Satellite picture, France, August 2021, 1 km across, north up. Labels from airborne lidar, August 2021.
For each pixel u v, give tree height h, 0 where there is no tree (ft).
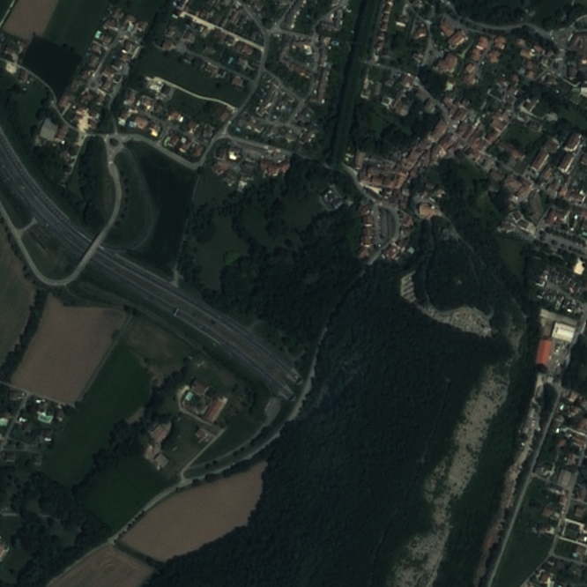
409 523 39
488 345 51
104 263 0
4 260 0
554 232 32
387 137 72
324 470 20
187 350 0
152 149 0
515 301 26
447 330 54
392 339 50
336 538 54
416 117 66
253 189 29
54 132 0
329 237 62
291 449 68
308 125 38
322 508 59
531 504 26
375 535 39
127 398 0
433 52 26
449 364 45
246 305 59
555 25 42
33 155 21
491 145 30
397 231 0
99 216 33
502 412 31
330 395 0
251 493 0
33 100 0
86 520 80
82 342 0
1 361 0
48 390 0
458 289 33
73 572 0
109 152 0
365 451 64
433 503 24
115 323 0
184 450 0
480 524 42
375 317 56
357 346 33
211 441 0
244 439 0
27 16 0
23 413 38
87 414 0
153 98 24
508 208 53
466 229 61
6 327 0
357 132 88
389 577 32
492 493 49
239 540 87
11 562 0
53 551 88
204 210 55
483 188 40
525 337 18
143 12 0
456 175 61
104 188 0
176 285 0
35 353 0
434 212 0
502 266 42
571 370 46
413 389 53
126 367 0
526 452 0
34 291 0
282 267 75
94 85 0
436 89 74
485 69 0
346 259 73
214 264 0
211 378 0
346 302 61
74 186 0
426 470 30
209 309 0
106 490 0
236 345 0
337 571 55
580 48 0
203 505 0
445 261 41
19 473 0
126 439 101
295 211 0
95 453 0
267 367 0
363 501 39
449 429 26
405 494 32
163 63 0
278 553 71
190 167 0
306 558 43
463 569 32
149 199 0
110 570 0
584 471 57
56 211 0
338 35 22
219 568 100
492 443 40
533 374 45
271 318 58
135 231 0
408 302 61
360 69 71
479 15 72
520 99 47
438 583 24
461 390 29
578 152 0
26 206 0
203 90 0
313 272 77
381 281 44
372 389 43
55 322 0
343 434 23
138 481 0
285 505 74
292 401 0
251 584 62
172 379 55
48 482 74
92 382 0
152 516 0
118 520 0
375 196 24
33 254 0
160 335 0
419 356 48
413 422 48
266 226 0
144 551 0
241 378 38
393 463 51
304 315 94
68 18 0
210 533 0
